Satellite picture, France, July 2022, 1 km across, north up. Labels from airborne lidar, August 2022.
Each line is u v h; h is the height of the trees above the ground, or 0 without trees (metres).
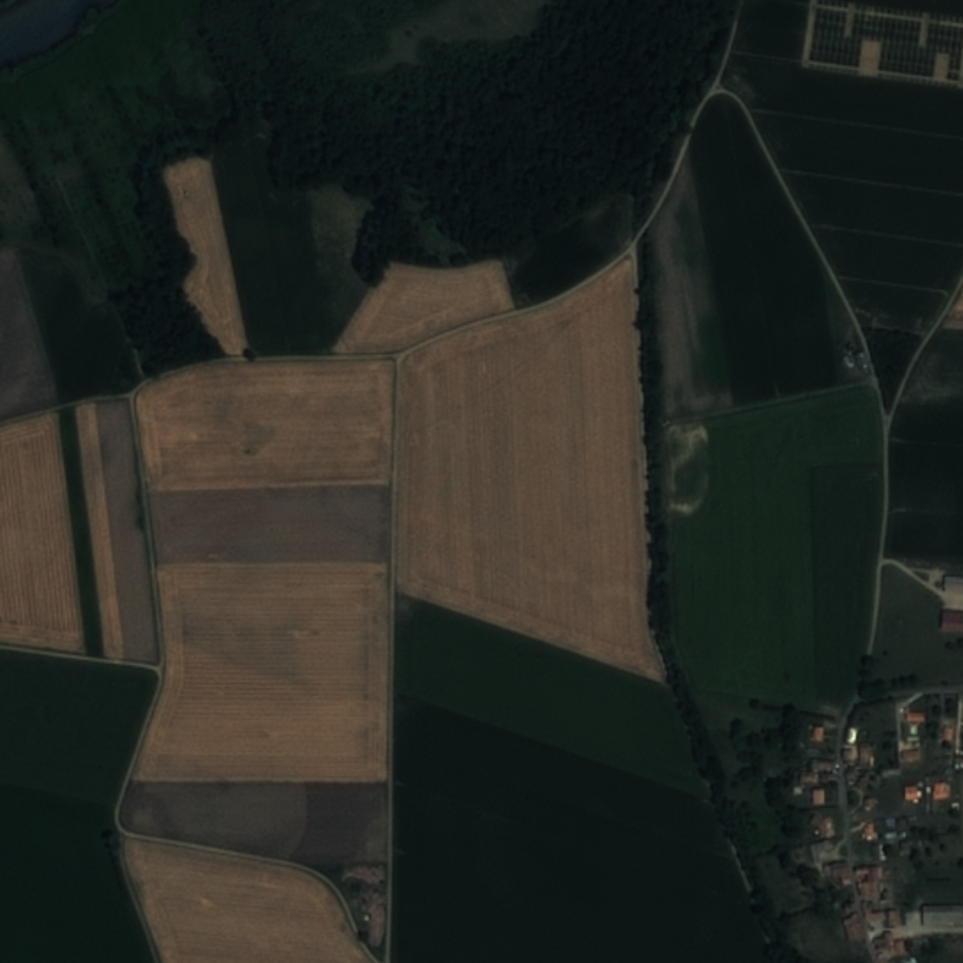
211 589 0
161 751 0
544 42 14
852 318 0
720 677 0
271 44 10
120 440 0
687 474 0
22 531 0
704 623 0
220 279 0
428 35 0
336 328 0
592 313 0
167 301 21
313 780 0
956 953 0
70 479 0
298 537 0
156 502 0
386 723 0
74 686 0
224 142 22
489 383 0
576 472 0
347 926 0
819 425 0
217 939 0
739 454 0
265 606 0
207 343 19
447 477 0
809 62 0
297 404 0
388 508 0
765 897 11
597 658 0
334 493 0
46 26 0
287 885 0
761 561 0
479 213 30
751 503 0
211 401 0
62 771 0
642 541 0
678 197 0
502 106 24
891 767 10
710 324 0
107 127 0
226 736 0
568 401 0
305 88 8
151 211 26
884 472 0
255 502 0
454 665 0
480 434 0
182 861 0
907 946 6
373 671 0
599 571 0
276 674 0
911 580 0
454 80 14
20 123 6
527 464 0
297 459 0
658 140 20
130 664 0
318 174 29
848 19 0
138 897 0
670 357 0
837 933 0
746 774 9
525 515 0
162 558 0
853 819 0
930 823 0
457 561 0
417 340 0
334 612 0
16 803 0
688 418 0
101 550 0
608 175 32
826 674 0
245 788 0
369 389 0
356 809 0
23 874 0
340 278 0
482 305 0
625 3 30
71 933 0
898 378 10
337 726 0
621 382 0
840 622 0
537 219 39
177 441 0
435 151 16
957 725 0
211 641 0
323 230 0
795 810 9
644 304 8
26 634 0
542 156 38
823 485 0
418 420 0
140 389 0
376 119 6
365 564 0
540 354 0
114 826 0
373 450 0
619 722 0
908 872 0
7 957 0
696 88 11
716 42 12
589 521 0
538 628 0
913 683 11
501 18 0
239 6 6
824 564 0
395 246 22
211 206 0
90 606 0
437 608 0
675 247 0
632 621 0
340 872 0
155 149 16
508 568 0
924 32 0
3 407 0
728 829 15
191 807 0
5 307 0
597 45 23
